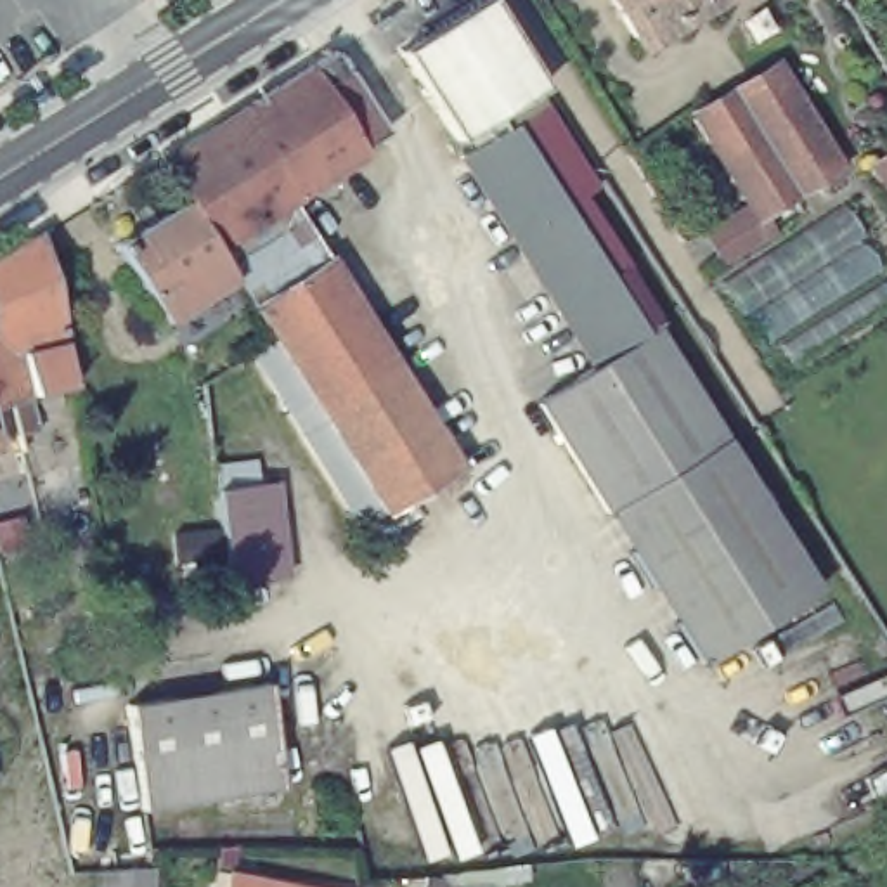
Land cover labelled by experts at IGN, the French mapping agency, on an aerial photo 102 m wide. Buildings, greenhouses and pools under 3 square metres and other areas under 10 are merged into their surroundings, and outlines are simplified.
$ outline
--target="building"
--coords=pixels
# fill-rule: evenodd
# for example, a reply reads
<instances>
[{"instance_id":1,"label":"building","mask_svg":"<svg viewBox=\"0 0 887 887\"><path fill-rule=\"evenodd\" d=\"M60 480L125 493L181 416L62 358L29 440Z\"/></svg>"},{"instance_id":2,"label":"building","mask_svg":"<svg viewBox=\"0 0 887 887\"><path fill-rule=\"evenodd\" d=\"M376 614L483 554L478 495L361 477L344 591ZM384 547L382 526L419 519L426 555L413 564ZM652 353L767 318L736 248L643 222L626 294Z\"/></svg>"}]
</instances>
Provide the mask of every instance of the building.
<instances>
[{"instance_id":1,"label":"building","mask_svg":"<svg viewBox=\"0 0 887 887\"><path fill-rule=\"evenodd\" d=\"M357 838L371 838L371 835L374 835L374 832L371 832L371 825L364 821L357 821L357 832L353 832L353 835L357 835Z\"/></svg>"},{"instance_id":2,"label":"building","mask_svg":"<svg viewBox=\"0 0 887 887\"><path fill-rule=\"evenodd\" d=\"M184 523L177 530L177 541L166 544L173 575L194 575L194 568L236 572L249 586L249 592L260 592L270 582L291 582L301 568L295 482L288 478L267 485L256 461L222 464L222 495L215 499L215 520Z\"/></svg>"},{"instance_id":3,"label":"building","mask_svg":"<svg viewBox=\"0 0 887 887\"><path fill-rule=\"evenodd\" d=\"M14 544L21 523L0 523L0 544Z\"/></svg>"},{"instance_id":4,"label":"building","mask_svg":"<svg viewBox=\"0 0 887 887\"><path fill-rule=\"evenodd\" d=\"M364 291L343 267L343 260L319 239L315 222L308 218L308 201L329 201L350 184L350 177L360 177L371 166L378 146L392 139L395 121L381 107L371 83L357 73L353 59L340 54L303 74L298 73L281 90L256 94L256 104L225 128L194 128L197 139L187 152L166 152L170 170L184 180L194 180L194 204L170 218L163 211L142 215L132 225L132 243L118 246L118 256L125 263L139 274L139 281L159 301L166 319L170 326L191 322L225 295L239 295L243 308L256 305L267 326L274 329L274 346L256 360L260 381L270 388L277 409L288 416L291 430L322 471L336 502L346 513L353 513L378 509L395 520L409 520L426 495L444 492L454 482L464 482L475 464L475 457L464 457L447 426L437 419L430 395L398 357L392 336L367 305Z\"/></svg>"},{"instance_id":5,"label":"building","mask_svg":"<svg viewBox=\"0 0 887 887\"><path fill-rule=\"evenodd\" d=\"M201 412L211 412L211 388L197 385L194 392Z\"/></svg>"},{"instance_id":6,"label":"building","mask_svg":"<svg viewBox=\"0 0 887 887\"><path fill-rule=\"evenodd\" d=\"M0 256L0 437L31 440L38 426L45 426L45 388L73 395L80 392L83 374L73 350L73 333L66 277L49 239L31 239L10 256Z\"/></svg>"},{"instance_id":7,"label":"building","mask_svg":"<svg viewBox=\"0 0 887 887\"><path fill-rule=\"evenodd\" d=\"M239 849L218 852L218 877L211 880L211 887L305 887L239 873L239 856Z\"/></svg>"},{"instance_id":8,"label":"building","mask_svg":"<svg viewBox=\"0 0 887 887\"><path fill-rule=\"evenodd\" d=\"M776 218L790 215L790 204L797 204L800 194L807 197L814 187L825 184L828 191L842 187L856 163L859 170L887 184L887 156L842 156L821 111L807 94L797 90L787 66L773 66L762 76L755 76L731 97L714 100L707 107L696 111L693 128L721 156L731 184L745 201L724 222L707 236L714 239L710 256L724 260L728 270L741 256L776 243Z\"/></svg>"},{"instance_id":9,"label":"building","mask_svg":"<svg viewBox=\"0 0 887 887\"><path fill-rule=\"evenodd\" d=\"M100 873L100 887L159 887L159 873L152 870Z\"/></svg>"},{"instance_id":10,"label":"building","mask_svg":"<svg viewBox=\"0 0 887 887\"><path fill-rule=\"evenodd\" d=\"M530 884L530 866L419 880L402 880L402 887L520 887Z\"/></svg>"},{"instance_id":11,"label":"building","mask_svg":"<svg viewBox=\"0 0 887 887\"><path fill-rule=\"evenodd\" d=\"M849 547L825 516L811 523L835 561L835 572L849 579Z\"/></svg>"},{"instance_id":12,"label":"building","mask_svg":"<svg viewBox=\"0 0 887 887\"><path fill-rule=\"evenodd\" d=\"M135 703L132 703L125 724L149 814L208 804L222 811L277 807L291 787L298 787L298 780L284 769L288 745L277 686L146 707Z\"/></svg>"},{"instance_id":13,"label":"building","mask_svg":"<svg viewBox=\"0 0 887 887\"><path fill-rule=\"evenodd\" d=\"M752 627L769 634L773 627L790 620L804 641L828 631L842 620L842 610L832 599L828 579L814 568L793 527L780 513L773 492L762 485L759 471L724 426L703 385L696 381L693 367L672 343L665 319L644 291L624 243L617 239L617 232L596 204L596 194L610 197L624 225L631 229L634 243L641 246L648 267L672 298L690 336L710 360L714 374L728 388L731 402L752 426L752 433L759 437L780 478L787 482L793 461L783 461L783 450L773 447L769 433L762 430L769 412L755 405L752 392L745 388L745 381L738 378L735 364L721 346L717 326L696 308L683 281L676 277L672 263L651 239L627 191L582 132L565 97L551 94L544 62L537 59L534 45L527 42L527 35L520 31L516 17L502 0L499 0L409 55L405 66L423 83L423 90L444 128L454 139L468 142L464 163L469 177L483 191L482 197L492 201L492 213L502 232L513 236L525 260L530 260L534 274L547 288L547 298L561 308L561 322L572 329L575 340L582 340L586 364L551 381L530 402L541 405L541 412L547 416L551 433L603 513L613 509L613 520L624 527L631 541L624 551L624 575L634 575L638 586L658 589L669 599L676 613L672 634L693 655L693 662L707 662L714 655L728 658L728 641Z\"/></svg>"},{"instance_id":14,"label":"building","mask_svg":"<svg viewBox=\"0 0 887 887\"><path fill-rule=\"evenodd\" d=\"M672 45L690 45L710 28L724 28L738 7L755 7L762 0L610 0L606 7L613 10L617 24L644 45L648 59L662 59Z\"/></svg>"}]
</instances>

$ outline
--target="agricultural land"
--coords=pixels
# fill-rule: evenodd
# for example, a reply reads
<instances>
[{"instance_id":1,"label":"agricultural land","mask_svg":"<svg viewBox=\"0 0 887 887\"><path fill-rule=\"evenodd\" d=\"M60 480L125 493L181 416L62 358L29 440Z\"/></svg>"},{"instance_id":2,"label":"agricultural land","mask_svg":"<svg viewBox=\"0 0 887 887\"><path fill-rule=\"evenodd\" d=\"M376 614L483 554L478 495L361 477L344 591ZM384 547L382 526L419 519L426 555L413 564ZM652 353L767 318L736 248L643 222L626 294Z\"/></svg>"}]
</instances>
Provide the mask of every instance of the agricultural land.
<instances>
[{"instance_id":1,"label":"agricultural land","mask_svg":"<svg viewBox=\"0 0 887 887\"><path fill-rule=\"evenodd\" d=\"M866 246L863 222L849 211L845 201L828 204L814 218L790 215L776 218L776 243L741 256L728 270L724 277L710 281L710 291L721 301L724 295L735 295L748 319L766 329L769 343L793 364L811 346L835 336L845 322L866 315L873 305L887 298L887 263L880 267L880 256Z\"/></svg>"}]
</instances>

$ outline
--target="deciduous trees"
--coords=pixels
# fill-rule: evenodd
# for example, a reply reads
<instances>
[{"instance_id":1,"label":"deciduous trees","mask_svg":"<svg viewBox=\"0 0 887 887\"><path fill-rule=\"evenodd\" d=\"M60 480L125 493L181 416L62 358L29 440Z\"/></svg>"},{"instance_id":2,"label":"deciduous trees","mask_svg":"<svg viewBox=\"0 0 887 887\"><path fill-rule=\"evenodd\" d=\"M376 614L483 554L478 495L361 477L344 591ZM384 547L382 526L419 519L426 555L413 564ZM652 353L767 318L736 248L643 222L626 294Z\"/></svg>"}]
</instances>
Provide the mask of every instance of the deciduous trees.
<instances>
[{"instance_id":1,"label":"deciduous trees","mask_svg":"<svg viewBox=\"0 0 887 887\"><path fill-rule=\"evenodd\" d=\"M55 651L49 655L52 676L59 683L76 683L76 690L111 686L132 703L135 703L149 683L170 679L166 655L173 634L170 627L156 624L146 582L125 572L125 561L114 551L114 544L90 547L90 534L97 527L121 523L125 509L146 492L146 478L128 475L121 468L107 478L94 471L94 461L100 454L111 454L118 440L135 433L121 423L121 416L94 412L80 392L73 395L83 457L80 482L80 489L87 492L87 509L80 509L80 534L69 537L66 527L49 520L28 527L21 523L14 544L17 558L24 561L62 561L69 551L87 551L87 575L100 582L100 589L87 599L94 620L73 641L55 644Z\"/></svg>"},{"instance_id":2,"label":"deciduous trees","mask_svg":"<svg viewBox=\"0 0 887 887\"><path fill-rule=\"evenodd\" d=\"M797 506L811 523L825 516L825 499L814 475L793 461L787 482L787 489L793 492Z\"/></svg>"},{"instance_id":3,"label":"deciduous trees","mask_svg":"<svg viewBox=\"0 0 887 887\"><path fill-rule=\"evenodd\" d=\"M55 73L52 90L66 104L90 94L83 73Z\"/></svg>"},{"instance_id":4,"label":"deciduous trees","mask_svg":"<svg viewBox=\"0 0 887 887\"><path fill-rule=\"evenodd\" d=\"M256 360L274 346L274 329L267 326L256 305L243 308L243 312L246 333L232 340L229 353L239 364Z\"/></svg>"},{"instance_id":5,"label":"deciduous trees","mask_svg":"<svg viewBox=\"0 0 887 887\"><path fill-rule=\"evenodd\" d=\"M728 38L738 62L748 66L766 52L762 42L755 42L748 31Z\"/></svg>"},{"instance_id":6,"label":"deciduous trees","mask_svg":"<svg viewBox=\"0 0 887 887\"><path fill-rule=\"evenodd\" d=\"M710 887L714 880L724 880L731 873L731 849L738 842L690 835L683 849L683 863L693 870L693 877L679 887Z\"/></svg>"},{"instance_id":7,"label":"deciduous trees","mask_svg":"<svg viewBox=\"0 0 887 887\"><path fill-rule=\"evenodd\" d=\"M811 49L825 42L818 21L807 10L807 0L769 0L769 17L776 21L776 28L797 24L807 35Z\"/></svg>"},{"instance_id":8,"label":"deciduous trees","mask_svg":"<svg viewBox=\"0 0 887 887\"><path fill-rule=\"evenodd\" d=\"M152 870L159 873L159 887L211 887L211 880L218 877L218 852L152 849Z\"/></svg>"},{"instance_id":9,"label":"deciduous trees","mask_svg":"<svg viewBox=\"0 0 887 887\"><path fill-rule=\"evenodd\" d=\"M159 10L166 28L180 28L187 17L204 21L211 14L211 0L187 0L173 14L166 7Z\"/></svg>"},{"instance_id":10,"label":"deciduous trees","mask_svg":"<svg viewBox=\"0 0 887 887\"><path fill-rule=\"evenodd\" d=\"M333 544L371 579L385 579L388 565L405 561L402 544L367 537L353 516L333 537Z\"/></svg>"},{"instance_id":11,"label":"deciduous trees","mask_svg":"<svg viewBox=\"0 0 887 887\"><path fill-rule=\"evenodd\" d=\"M3 128L28 132L38 125L38 104L14 97L0 111L0 114Z\"/></svg>"},{"instance_id":12,"label":"deciduous trees","mask_svg":"<svg viewBox=\"0 0 887 887\"><path fill-rule=\"evenodd\" d=\"M340 773L315 776L315 835L353 835L353 832L357 832L357 821L364 821L364 804L357 800L357 787L350 780Z\"/></svg>"},{"instance_id":13,"label":"deciduous trees","mask_svg":"<svg viewBox=\"0 0 887 887\"><path fill-rule=\"evenodd\" d=\"M135 166L125 187L125 197L132 204L142 204L142 215L163 211L170 218L194 204L194 180L184 180L170 170Z\"/></svg>"},{"instance_id":14,"label":"deciduous trees","mask_svg":"<svg viewBox=\"0 0 887 887\"><path fill-rule=\"evenodd\" d=\"M838 845L845 849L849 866L838 873L838 866L825 859L825 877L804 887L887 887L887 793L877 800L877 814L866 825L852 825Z\"/></svg>"},{"instance_id":15,"label":"deciduous trees","mask_svg":"<svg viewBox=\"0 0 887 887\"><path fill-rule=\"evenodd\" d=\"M194 575L173 575L170 582L177 589L184 617L201 620L208 627L243 624L260 610L260 592L249 592L249 586L236 572L194 568Z\"/></svg>"},{"instance_id":16,"label":"deciduous trees","mask_svg":"<svg viewBox=\"0 0 887 887\"><path fill-rule=\"evenodd\" d=\"M683 232L683 239L707 236L724 222L717 215L717 197L710 191L707 173L690 163L683 149L672 146L648 152L641 159L665 225Z\"/></svg>"},{"instance_id":17,"label":"deciduous trees","mask_svg":"<svg viewBox=\"0 0 887 887\"><path fill-rule=\"evenodd\" d=\"M111 305L111 295L125 301L125 326L139 343L152 343L159 322L166 319L159 301L139 281L139 274L125 263L100 281L90 249L80 246L73 274L66 277L73 333L83 329L87 343L97 353L104 346L104 312Z\"/></svg>"},{"instance_id":18,"label":"deciduous trees","mask_svg":"<svg viewBox=\"0 0 887 887\"><path fill-rule=\"evenodd\" d=\"M870 94L884 100L877 132L887 149L887 0L825 0L845 45L880 76L880 83Z\"/></svg>"}]
</instances>

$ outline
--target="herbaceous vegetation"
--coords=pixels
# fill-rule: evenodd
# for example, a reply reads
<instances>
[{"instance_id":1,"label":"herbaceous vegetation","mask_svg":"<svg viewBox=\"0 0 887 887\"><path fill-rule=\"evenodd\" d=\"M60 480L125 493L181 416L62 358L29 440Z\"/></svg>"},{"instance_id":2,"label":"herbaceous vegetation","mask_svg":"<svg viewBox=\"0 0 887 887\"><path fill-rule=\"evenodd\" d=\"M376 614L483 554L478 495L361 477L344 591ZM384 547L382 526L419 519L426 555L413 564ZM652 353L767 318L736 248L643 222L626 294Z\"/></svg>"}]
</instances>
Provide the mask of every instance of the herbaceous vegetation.
<instances>
[{"instance_id":1,"label":"herbaceous vegetation","mask_svg":"<svg viewBox=\"0 0 887 887\"><path fill-rule=\"evenodd\" d=\"M762 42L766 52L748 66L755 76L762 76L773 66L787 66L797 90L807 94L821 111L842 156L887 156L887 149L877 132L884 100L870 94L880 83L880 76L845 45L838 55L828 55L825 42L811 49L807 35L797 24L776 28L776 35Z\"/></svg>"},{"instance_id":2,"label":"herbaceous vegetation","mask_svg":"<svg viewBox=\"0 0 887 887\"><path fill-rule=\"evenodd\" d=\"M353 887L350 877L340 873L256 863L239 856L239 873L305 887Z\"/></svg>"},{"instance_id":3,"label":"herbaceous vegetation","mask_svg":"<svg viewBox=\"0 0 887 887\"><path fill-rule=\"evenodd\" d=\"M838 866L838 873L849 866L845 849L838 845L804 845L797 838L783 849L766 849L762 842L738 842L731 849L731 873L724 880L714 880L710 887L804 887L825 877L825 859Z\"/></svg>"},{"instance_id":4,"label":"herbaceous vegetation","mask_svg":"<svg viewBox=\"0 0 887 887\"><path fill-rule=\"evenodd\" d=\"M125 509L121 523L97 527L90 534L90 547L114 544L114 551L125 561L125 572L146 582L156 624L170 627L173 634L184 631L184 617L177 589L170 582L173 575L166 544L177 541L177 530L184 523L215 520L215 499L222 495L222 464L256 461L267 485L288 478L295 482L301 478L315 492L319 506L333 523L333 537L353 516L353 513L346 513L336 502L322 471L291 430L288 416L277 409L270 388L260 381L256 360L239 364L229 353L232 340L246 333L243 312L229 315L218 329L201 333L197 357L170 350L159 360L128 364L104 346L97 353L87 343L83 329L73 333L73 350L83 374L80 392L94 412L121 416L121 423L135 433L118 440L111 454L100 454L94 461L94 471L107 478L121 468L128 475L146 478L146 492ZM194 392L197 385L211 388L211 412L201 412Z\"/></svg>"},{"instance_id":5,"label":"herbaceous vegetation","mask_svg":"<svg viewBox=\"0 0 887 887\"><path fill-rule=\"evenodd\" d=\"M142 215L142 204L132 204L125 197L125 187L107 191L90 204L97 222L132 225Z\"/></svg>"},{"instance_id":6,"label":"herbaceous vegetation","mask_svg":"<svg viewBox=\"0 0 887 887\"><path fill-rule=\"evenodd\" d=\"M374 800L364 804L364 821L371 825L371 832L374 832L374 835L374 859L381 866L416 866L419 880L530 866L530 884L520 887L679 887L693 877L693 870L683 863L683 849L672 842L651 849L610 849L592 842L582 849L572 845L568 852L527 852L495 859L482 852L475 859L430 863L395 762L385 766L385 780L374 790Z\"/></svg>"},{"instance_id":7,"label":"herbaceous vegetation","mask_svg":"<svg viewBox=\"0 0 887 887\"><path fill-rule=\"evenodd\" d=\"M745 201L731 184L721 156L693 128L672 128L672 146L683 149L690 163L707 173L710 191L717 197L717 215L724 222Z\"/></svg>"},{"instance_id":8,"label":"herbaceous vegetation","mask_svg":"<svg viewBox=\"0 0 887 887\"><path fill-rule=\"evenodd\" d=\"M94 620L87 599L100 589L100 582L87 575L87 551L69 551L62 561L24 561L17 558L14 544L0 544L0 887L100 887L100 873L152 870L152 849L152 842L163 835L315 835L315 776L340 773L350 780L357 773L353 724L346 717L319 717L315 724L301 728L295 710L291 669L281 672L277 686L288 745L284 769L298 780L298 787L291 787L277 807L222 811L208 804L149 814L125 724L107 724L104 731L87 735L80 728L80 717L73 714L76 690L76 683L59 683L52 676L49 655L55 651L55 644L73 641Z\"/></svg>"},{"instance_id":9,"label":"herbaceous vegetation","mask_svg":"<svg viewBox=\"0 0 887 887\"><path fill-rule=\"evenodd\" d=\"M790 381L780 392L780 405L769 412L762 430L769 433L773 447L783 450L783 461L793 461L814 475L825 499L825 516L849 547L849 579L835 572L835 561L811 523L797 506L793 492L787 489L787 482L780 478L759 437L752 433L752 426L731 402L728 388L714 374L710 360L690 336L672 298L648 267L641 246L634 243L631 229L624 225L610 197L596 194L596 204L617 232L617 239L624 243L644 291L665 319L672 343L693 367L696 381L703 385L724 426L759 471L762 485L773 492L780 513L793 527L814 568L828 579L832 599L842 610L842 620L828 631L835 641L849 634L856 644L856 658L863 662L859 676L835 686L838 693L849 696L870 683L887 679L887 331L873 326L873 333L849 343L816 376Z\"/></svg>"},{"instance_id":10,"label":"herbaceous vegetation","mask_svg":"<svg viewBox=\"0 0 887 887\"><path fill-rule=\"evenodd\" d=\"M887 246L880 243L873 211L863 204L863 194L852 194L845 201L849 211L863 222L866 246L880 256L880 267L887 263Z\"/></svg>"}]
</instances>

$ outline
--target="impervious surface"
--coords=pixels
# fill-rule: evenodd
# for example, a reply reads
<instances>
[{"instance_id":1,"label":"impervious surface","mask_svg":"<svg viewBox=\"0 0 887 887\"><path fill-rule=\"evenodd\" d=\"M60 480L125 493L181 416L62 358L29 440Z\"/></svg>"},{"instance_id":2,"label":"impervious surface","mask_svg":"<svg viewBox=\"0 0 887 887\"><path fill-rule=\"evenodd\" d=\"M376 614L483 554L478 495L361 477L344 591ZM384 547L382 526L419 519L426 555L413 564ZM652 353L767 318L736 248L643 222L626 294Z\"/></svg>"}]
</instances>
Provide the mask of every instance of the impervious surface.
<instances>
[{"instance_id":1,"label":"impervious surface","mask_svg":"<svg viewBox=\"0 0 887 887\"><path fill-rule=\"evenodd\" d=\"M651 239L672 263L676 277L683 281L696 308L717 326L721 346L735 364L738 378L745 381L745 388L752 392L755 405L769 412L780 405L780 392L759 367L745 333L721 301L710 291L710 281L724 277L728 270L724 260L710 256L714 239L707 236L683 239L683 232L665 225L641 159L620 146L599 107L589 100L579 73L565 66L561 45L554 42L554 35L547 31L544 17L534 10L530 0L502 0L516 17L520 31L527 35L527 42L534 45L537 59L544 62L551 94L565 97L582 132L627 191Z\"/></svg>"},{"instance_id":2,"label":"impervious surface","mask_svg":"<svg viewBox=\"0 0 887 887\"><path fill-rule=\"evenodd\" d=\"M159 10L166 7L173 14L187 0L0 0L0 111L14 97L38 104L38 125L28 132L3 128L0 114L0 256L10 256L31 239L49 239L52 218L62 218L90 204L107 191L125 187L135 166L170 170L166 152L187 152L197 139L194 128L225 128L256 104L256 94L281 90L298 73L303 74L340 54L353 59L357 73L371 83L381 107L395 121L402 118L402 104L423 90L423 83L405 66L409 55L499 0L211 0L211 14L204 21L187 17L180 28L166 28ZM55 73L83 73L90 94L66 104L52 90Z\"/></svg>"},{"instance_id":3,"label":"impervious surface","mask_svg":"<svg viewBox=\"0 0 887 887\"><path fill-rule=\"evenodd\" d=\"M45 478L21 475L0 482L0 523L21 523L28 527L49 520L66 527L69 537L80 534L80 509L87 509L87 492L80 489L80 482L69 471L55 468Z\"/></svg>"}]
</instances>

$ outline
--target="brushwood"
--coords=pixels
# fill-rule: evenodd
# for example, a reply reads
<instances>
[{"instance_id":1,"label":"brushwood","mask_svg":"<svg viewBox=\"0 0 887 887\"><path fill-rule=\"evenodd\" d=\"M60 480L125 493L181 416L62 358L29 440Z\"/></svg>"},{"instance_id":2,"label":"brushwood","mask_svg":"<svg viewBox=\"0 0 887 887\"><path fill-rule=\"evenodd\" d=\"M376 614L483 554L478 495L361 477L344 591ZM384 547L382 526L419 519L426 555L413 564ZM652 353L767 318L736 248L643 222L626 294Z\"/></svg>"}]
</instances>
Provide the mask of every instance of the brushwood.
<instances>
[{"instance_id":1,"label":"brushwood","mask_svg":"<svg viewBox=\"0 0 887 887\"><path fill-rule=\"evenodd\" d=\"M357 838L357 835L353 835L315 835L163 835L152 842L152 849L218 852L239 849L239 856L256 863L340 873L350 877L353 887L402 887L402 880L419 880L416 866L381 866L374 859L374 835L371 835L371 838Z\"/></svg>"},{"instance_id":2,"label":"brushwood","mask_svg":"<svg viewBox=\"0 0 887 887\"><path fill-rule=\"evenodd\" d=\"M610 62L596 49L596 10L579 7L579 0L530 0L534 10L544 17L547 31L554 35L554 42L561 45L565 66L579 73L589 100L599 107L620 146L641 159L648 152L672 146L672 128L693 128L696 111L707 107L700 94L693 94L658 125L641 125L631 83L606 69Z\"/></svg>"},{"instance_id":3,"label":"brushwood","mask_svg":"<svg viewBox=\"0 0 887 887\"><path fill-rule=\"evenodd\" d=\"M745 333L759 367L780 392L790 381L816 376L849 343L873 333L873 326L887 331L887 298L873 305L866 315L845 322L835 336L811 346L793 364L769 343L766 329L748 319L735 295L724 295L721 301Z\"/></svg>"}]
</instances>

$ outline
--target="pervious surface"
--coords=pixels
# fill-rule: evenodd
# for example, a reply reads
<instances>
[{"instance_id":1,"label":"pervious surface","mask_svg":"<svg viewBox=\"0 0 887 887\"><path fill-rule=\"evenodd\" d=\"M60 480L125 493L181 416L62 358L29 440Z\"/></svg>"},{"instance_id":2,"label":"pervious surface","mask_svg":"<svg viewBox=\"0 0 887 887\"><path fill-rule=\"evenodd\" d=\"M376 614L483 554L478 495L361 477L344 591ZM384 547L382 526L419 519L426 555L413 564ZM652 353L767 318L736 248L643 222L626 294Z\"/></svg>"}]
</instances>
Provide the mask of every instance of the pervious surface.
<instances>
[{"instance_id":1,"label":"pervious surface","mask_svg":"<svg viewBox=\"0 0 887 887\"><path fill-rule=\"evenodd\" d=\"M45 388L45 426L38 426L31 440L0 437L0 482L21 475L45 478L55 468L69 471L80 482L83 457L73 395Z\"/></svg>"},{"instance_id":2,"label":"pervious surface","mask_svg":"<svg viewBox=\"0 0 887 887\"><path fill-rule=\"evenodd\" d=\"M825 184L814 187L807 197L800 194L797 204L790 204L790 215L814 218L828 204L845 201L852 194L863 194L863 204L873 211L880 243L887 246L887 184L859 170L856 163L842 187L828 191Z\"/></svg>"},{"instance_id":3,"label":"pervious surface","mask_svg":"<svg viewBox=\"0 0 887 887\"><path fill-rule=\"evenodd\" d=\"M606 7L610 0L579 0L579 7L596 10L596 49L610 62L606 69L631 83L641 125L658 125L693 94L700 94L707 107L714 100L731 97L755 76L748 66L738 62L728 38L748 31L755 42L762 42L776 35L776 28L776 21L769 17L769 0L762 0L755 7L738 7L724 28L710 28L690 45L672 45L662 59L648 59L644 45L617 24L613 10Z\"/></svg>"},{"instance_id":4,"label":"pervious surface","mask_svg":"<svg viewBox=\"0 0 887 887\"><path fill-rule=\"evenodd\" d=\"M239 295L225 295L191 322L170 326L166 319L159 322L152 343L139 343L125 326L125 301L111 295L111 305L104 312L104 346L128 364L159 360L170 350L197 357L201 333L218 329L229 315L243 312L243 308Z\"/></svg>"},{"instance_id":5,"label":"pervious surface","mask_svg":"<svg viewBox=\"0 0 887 887\"><path fill-rule=\"evenodd\" d=\"M783 849L797 838L804 845L838 845L852 825L866 825L877 814L877 800L887 793L887 679L870 683L849 696L838 693L835 686L859 676L863 662L856 658L856 644L849 634L835 641L828 631L804 641L790 620L773 627L769 634L752 627L728 641L728 658L714 655L707 662L693 662L693 655L672 634L676 613L669 599L658 589L638 586L634 575L624 575L624 551L631 541L624 527L613 520L613 509L603 513L551 433L547 416L541 412L541 405L530 402L551 381L586 364L582 340L575 340L572 329L561 322L561 308L547 298L547 288L534 274L530 260L525 260L513 236L502 232L492 213L492 201L482 197L483 191L469 177L464 163L468 142L454 139L444 128L423 90L402 104L402 118L395 121L392 139L378 146L371 166L360 177L350 177L350 184L329 201L308 201L308 218L315 222L319 239L343 260L343 267L364 291L367 305L392 336L398 357L430 395L437 419L447 426L464 457L475 457L475 464L464 482L454 482L444 492L426 495L409 520L395 520L378 509L353 513L353 516L367 537L402 544L405 561L388 565L385 579L371 579L333 544L333 537L333 523L319 506L315 492L301 478L295 482L301 568L291 582L270 582L260 592L260 610L243 624L208 627L201 620L184 617L184 631L173 634L166 655L170 679L149 683L135 703L146 707L277 686L281 672L291 669L295 710L301 728L315 724L319 717L346 717L353 724L357 773L350 780L357 787L357 800L364 804L374 800L374 790L385 780L385 766L395 762L430 863L475 859L482 852L495 859L527 852L568 852L572 845L582 849L592 842L610 849L651 849L672 842L683 849L690 835L738 842L762 842L766 849Z\"/></svg>"},{"instance_id":6,"label":"pervious surface","mask_svg":"<svg viewBox=\"0 0 887 887\"><path fill-rule=\"evenodd\" d=\"M76 690L73 714L80 717L80 728L87 735L104 731L107 724L125 724L132 703L111 686Z\"/></svg>"},{"instance_id":7,"label":"pervious surface","mask_svg":"<svg viewBox=\"0 0 887 887\"><path fill-rule=\"evenodd\" d=\"M52 218L49 239L66 277L73 274L80 246L90 249L100 281L125 263L118 256L118 246L132 243L132 225L97 222L90 204L62 218Z\"/></svg>"},{"instance_id":8,"label":"pervious surface","mask_svg":"<svg viewBox=\"0 0 887 887\"><path fill-rule=\"evenodd\" d=\"M828 55L838 55L845 45L825 0L807 0L807 10L818 21L825 42Z\"/></svg>"}]
</instances>

